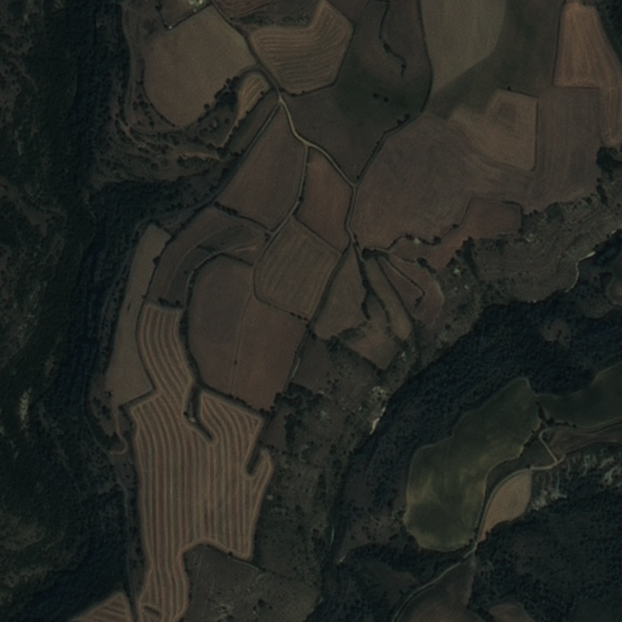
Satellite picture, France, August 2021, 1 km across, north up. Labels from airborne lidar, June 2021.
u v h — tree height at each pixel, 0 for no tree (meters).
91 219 7
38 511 8
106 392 0
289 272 0
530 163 0
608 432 0
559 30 0
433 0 0
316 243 0
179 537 0
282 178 0
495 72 0
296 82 0
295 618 0
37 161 8
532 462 0
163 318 0
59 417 10
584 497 10
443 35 0
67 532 11
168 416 0
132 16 0
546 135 0
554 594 6
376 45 0
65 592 11
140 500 0
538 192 0
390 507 9
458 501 0
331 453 8
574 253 0
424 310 0
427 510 0
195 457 0
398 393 10
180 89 0
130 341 0
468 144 0
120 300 6
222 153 10
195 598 0
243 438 0
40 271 6
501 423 0
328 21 0
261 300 0
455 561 7
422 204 0
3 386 13
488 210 0
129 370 0
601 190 12
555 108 0
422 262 11
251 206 0
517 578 11
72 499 8
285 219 0
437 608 0
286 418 8
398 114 0
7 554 8
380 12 0
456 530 0
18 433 7
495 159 0
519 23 0
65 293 10
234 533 0
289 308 0
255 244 0
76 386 7
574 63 0
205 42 0
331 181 0
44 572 6
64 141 9
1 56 8
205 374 0
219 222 0
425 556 12
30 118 7
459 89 0
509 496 0
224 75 0
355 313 0
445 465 0
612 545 7
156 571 0
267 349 0
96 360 8
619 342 12
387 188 0
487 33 0
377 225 0
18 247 7
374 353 0
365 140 0
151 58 0
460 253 11
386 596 7
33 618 9
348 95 0
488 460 0
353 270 0
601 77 0
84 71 13
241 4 0
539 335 9
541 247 0
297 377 0
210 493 0
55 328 10
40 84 5
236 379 0
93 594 13
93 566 12
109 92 7
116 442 10
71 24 14
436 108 0
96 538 8
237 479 0
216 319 0
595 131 0
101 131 6
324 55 0
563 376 14
